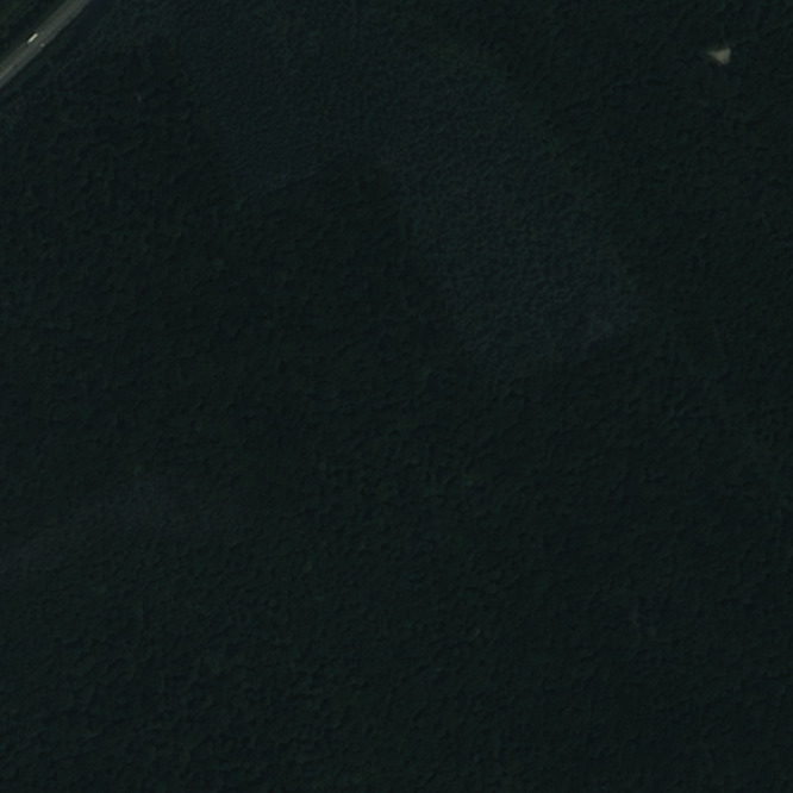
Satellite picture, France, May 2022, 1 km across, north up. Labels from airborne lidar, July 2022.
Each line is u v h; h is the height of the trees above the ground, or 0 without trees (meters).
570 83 27
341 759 21
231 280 24
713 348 9
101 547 18
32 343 28
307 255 27
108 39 28
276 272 27
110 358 27
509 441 25
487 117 31
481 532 27
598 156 22
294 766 30
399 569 27
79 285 27
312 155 26
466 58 25
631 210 27
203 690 27
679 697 24
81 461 25
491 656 23
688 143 25
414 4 15
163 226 29
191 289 21
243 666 17
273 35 31
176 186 25
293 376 20
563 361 21
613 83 24
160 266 25
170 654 23
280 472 26
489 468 21
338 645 20
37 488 25
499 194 35
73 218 27
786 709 27
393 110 28
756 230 28
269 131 25
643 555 26
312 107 24
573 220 21
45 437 30
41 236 25
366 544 19
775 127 19
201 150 26
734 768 22
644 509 25
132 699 24
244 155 25
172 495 22
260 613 27
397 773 17
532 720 27
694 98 29
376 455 26
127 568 24
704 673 23
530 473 23
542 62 25
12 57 0
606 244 22
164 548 22
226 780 27
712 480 27
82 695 31
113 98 23
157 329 27
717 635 24
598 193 20
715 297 20
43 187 27
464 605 25
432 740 26
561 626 25
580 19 26
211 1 29
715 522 22
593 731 23
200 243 24
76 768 25
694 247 25
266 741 24
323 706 28
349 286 25
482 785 24
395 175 29
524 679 23
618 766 25
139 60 25
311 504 25
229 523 18
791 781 19
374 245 23
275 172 24
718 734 24
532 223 26
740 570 24
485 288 29
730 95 28
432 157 36
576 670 24
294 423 23
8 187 30
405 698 22
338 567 21
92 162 23
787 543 23
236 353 18
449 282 28
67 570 22
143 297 29
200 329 25
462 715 25
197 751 26
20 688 25
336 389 21
